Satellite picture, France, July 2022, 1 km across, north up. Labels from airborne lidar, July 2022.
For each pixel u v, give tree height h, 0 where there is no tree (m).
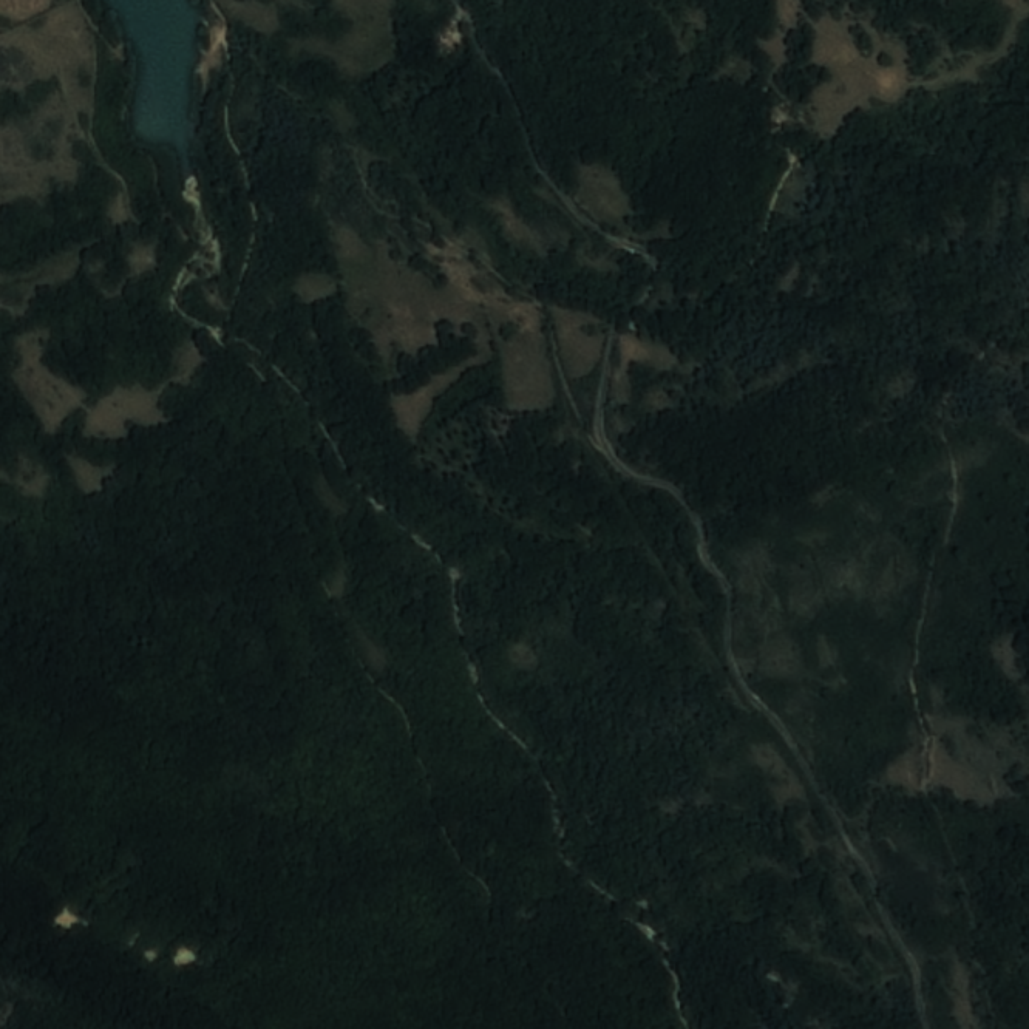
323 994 7
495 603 10
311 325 7
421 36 7
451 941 11
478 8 9
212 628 11
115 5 0
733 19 14
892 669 0
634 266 17
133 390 0
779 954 10
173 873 15
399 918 10
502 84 12
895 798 6
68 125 0
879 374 7
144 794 9
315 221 14
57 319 10
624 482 10
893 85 0
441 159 15
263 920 17
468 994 18
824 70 12
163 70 0
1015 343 10
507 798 11
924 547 7
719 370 14
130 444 12
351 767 8
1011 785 8
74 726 20
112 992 16
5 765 13
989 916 9
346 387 17
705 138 16
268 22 0
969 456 0
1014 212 10
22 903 19
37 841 9
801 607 0
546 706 12
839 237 7
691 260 18
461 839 10
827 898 14
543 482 17
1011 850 8
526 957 12
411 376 16
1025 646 10
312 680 11
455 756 7
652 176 11
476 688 11
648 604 13
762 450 11
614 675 8
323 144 8
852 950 7
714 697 10
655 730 12
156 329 15
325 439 18
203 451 8
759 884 7
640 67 11
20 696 19
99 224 17
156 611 14
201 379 8
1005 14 0
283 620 8
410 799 9
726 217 16
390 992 12
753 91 14
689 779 8
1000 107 16
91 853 8
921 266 6
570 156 13
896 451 9
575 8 15
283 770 7
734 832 13
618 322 13
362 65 0
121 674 10
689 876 9
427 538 11
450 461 16
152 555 17
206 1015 13
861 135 18
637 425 7
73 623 17
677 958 13
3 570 19
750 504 9
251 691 20
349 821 14
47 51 0
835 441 12
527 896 14
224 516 14
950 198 17
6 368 6
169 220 17
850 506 0
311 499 13
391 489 16
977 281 10
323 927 8
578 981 14
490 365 6
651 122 13
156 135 0
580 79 9
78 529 14
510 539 16
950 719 0
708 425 9
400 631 7
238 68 7
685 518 9
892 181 8
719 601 8
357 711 9
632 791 13
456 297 0
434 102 17
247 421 12
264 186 13
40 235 11
